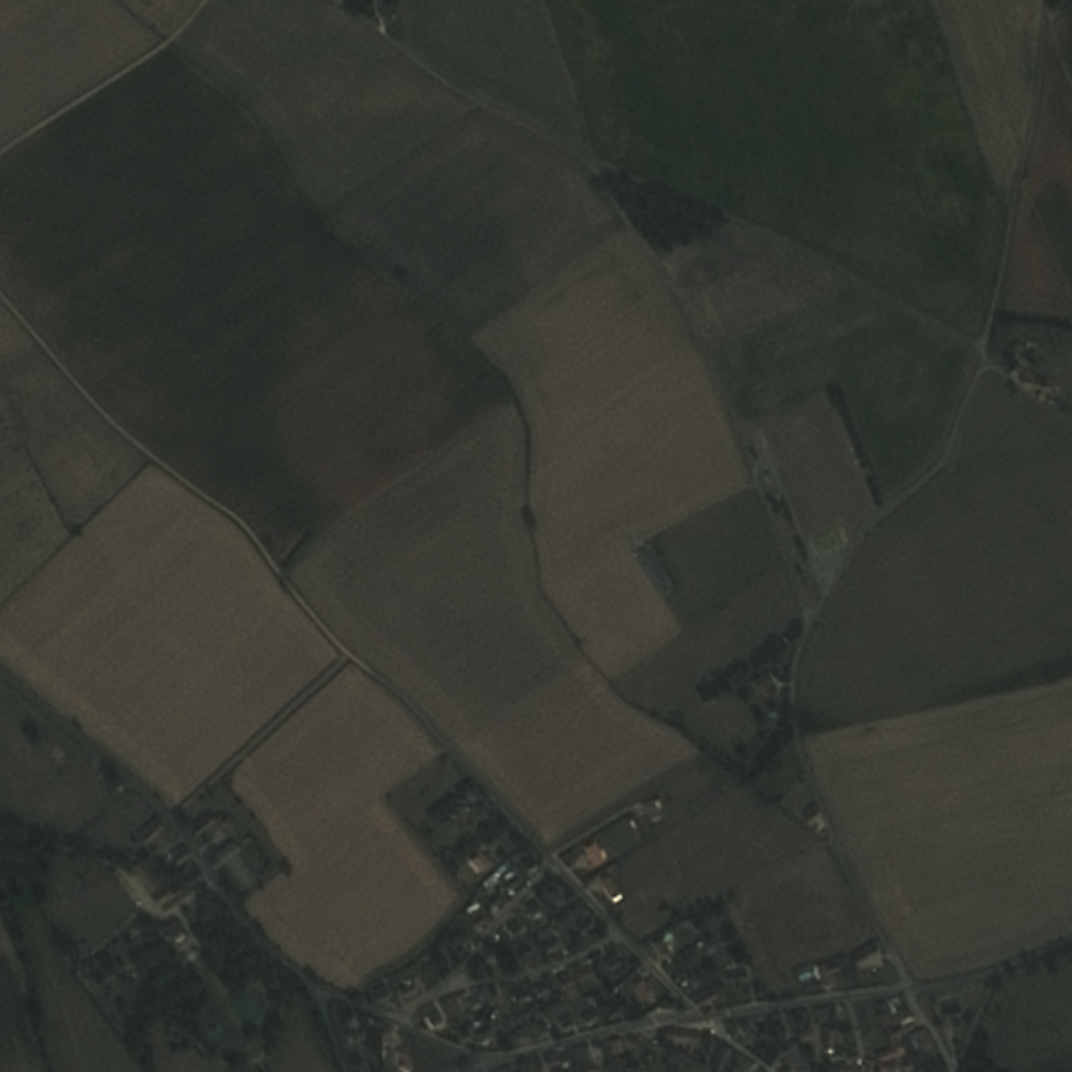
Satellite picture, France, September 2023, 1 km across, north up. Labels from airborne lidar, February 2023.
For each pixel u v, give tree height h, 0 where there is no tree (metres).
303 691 0
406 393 0
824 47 0
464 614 0
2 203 0
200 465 0
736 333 0
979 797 0
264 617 0
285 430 0
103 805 0
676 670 0
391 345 0
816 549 0
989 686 0
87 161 0
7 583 0
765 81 0
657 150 0
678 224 15
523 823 0
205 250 0
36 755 0
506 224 0
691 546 0
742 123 0
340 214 0
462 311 0
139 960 13
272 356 0
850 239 0
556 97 0
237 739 0
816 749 0
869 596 0
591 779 0
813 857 0
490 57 0
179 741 0
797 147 0
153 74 0
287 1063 0
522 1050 0
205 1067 0
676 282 0
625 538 0
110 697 0
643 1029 0
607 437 0
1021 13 0
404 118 0
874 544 0
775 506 14
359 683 0
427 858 0
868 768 0
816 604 0
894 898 0
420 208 0
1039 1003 0
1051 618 0
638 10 0
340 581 0
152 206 0
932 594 0
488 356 0
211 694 0
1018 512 0
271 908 0
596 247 0
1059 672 0
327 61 0
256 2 0
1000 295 0
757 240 0
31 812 0
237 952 6
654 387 0
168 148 0
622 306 0
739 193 0
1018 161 0
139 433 0
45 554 0
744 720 0
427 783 0
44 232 0
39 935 0
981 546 0
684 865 0
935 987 0
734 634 0
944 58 0
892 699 0
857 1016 0
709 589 0
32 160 0
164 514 0
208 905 12
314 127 0
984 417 0
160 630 0
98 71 0
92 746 0
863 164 0
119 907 0
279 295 0
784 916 0
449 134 0
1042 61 0
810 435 0
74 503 0
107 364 0
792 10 0
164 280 0
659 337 0
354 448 0
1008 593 0
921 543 0
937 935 0
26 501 0
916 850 0
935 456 0
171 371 0
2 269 0
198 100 0
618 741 0
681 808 0
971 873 0
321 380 0
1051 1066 0
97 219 0
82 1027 0
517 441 0
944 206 0
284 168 0
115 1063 0
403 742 0
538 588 0
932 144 0
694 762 0
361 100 0
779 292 0
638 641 0
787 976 0
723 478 0
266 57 0
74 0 0
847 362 0
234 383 0
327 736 0
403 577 0
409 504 0
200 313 0
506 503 0
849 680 0
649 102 0
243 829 0
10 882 0
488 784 0
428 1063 0
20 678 0
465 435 0
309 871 0
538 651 0
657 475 0
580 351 0
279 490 0
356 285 0
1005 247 0
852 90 0
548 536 0
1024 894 0
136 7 0
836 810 0
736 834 0
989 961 0
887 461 0
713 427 0
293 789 0
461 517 0
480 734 0
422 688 0
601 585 0
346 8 7
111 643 0
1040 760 0
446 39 0
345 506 0
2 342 0
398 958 0
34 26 0
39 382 0
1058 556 0
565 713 0
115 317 0
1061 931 0
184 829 9
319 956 0
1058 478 0
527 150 0
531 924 0
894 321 0
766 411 0
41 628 0
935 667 0
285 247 0
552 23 0
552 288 0
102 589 0
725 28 0
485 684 0
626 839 0
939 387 0
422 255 0
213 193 0
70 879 0
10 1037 0
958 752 0
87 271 0
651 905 0
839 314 0
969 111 0
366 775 0
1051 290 0
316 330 0
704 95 0
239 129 0
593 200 0
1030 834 0
